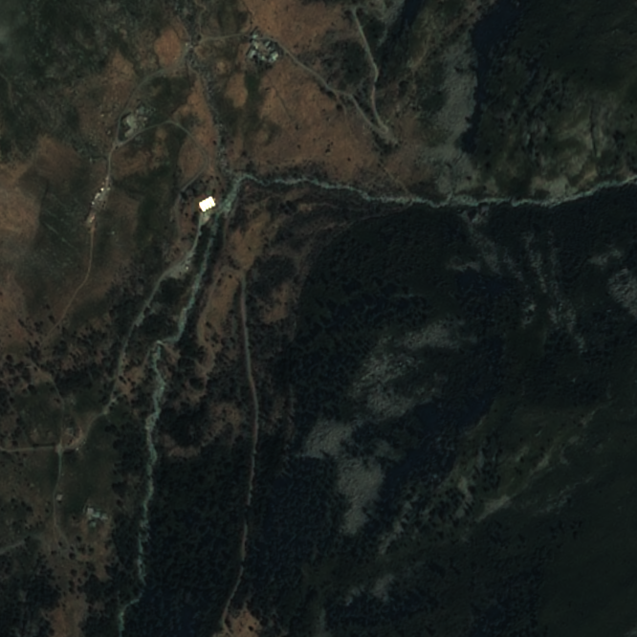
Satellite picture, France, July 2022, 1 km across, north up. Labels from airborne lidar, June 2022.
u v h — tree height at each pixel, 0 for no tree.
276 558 25
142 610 15
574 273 7
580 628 0
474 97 0
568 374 0
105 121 0
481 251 0
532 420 0
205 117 0
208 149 0
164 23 0
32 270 0
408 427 6
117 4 0
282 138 0
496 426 0
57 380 8
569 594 0
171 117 0
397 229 6
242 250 0
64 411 0
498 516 0
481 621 7
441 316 0
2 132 0
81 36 0
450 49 0
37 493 0
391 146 6
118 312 10
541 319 0
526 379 8
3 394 9
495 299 9
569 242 11
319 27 0
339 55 0
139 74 0
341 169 0
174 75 0
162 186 0
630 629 0
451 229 5
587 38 0
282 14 0
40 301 0
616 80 0
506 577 6
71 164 0
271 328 9
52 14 0
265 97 0
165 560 15
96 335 10
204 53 0
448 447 8
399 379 0
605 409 0
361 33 0
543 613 0
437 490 7
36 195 0
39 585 7
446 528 0
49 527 0
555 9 0
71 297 0
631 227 6
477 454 12
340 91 0
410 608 21
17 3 0
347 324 14
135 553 24
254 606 9
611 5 0
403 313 19
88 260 0
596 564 0
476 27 0
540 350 0
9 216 0
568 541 0
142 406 8
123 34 0
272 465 8
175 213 0
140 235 0
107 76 0
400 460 0
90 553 7
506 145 0
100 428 0
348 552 9
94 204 0
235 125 0
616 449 0
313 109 0
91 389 11
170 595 28
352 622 16
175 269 0
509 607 16
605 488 0
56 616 0
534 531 0
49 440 0
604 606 0
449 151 0
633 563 0
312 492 13
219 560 9
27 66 0
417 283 0
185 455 0
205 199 0
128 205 0
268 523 9
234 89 0
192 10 0
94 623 14
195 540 6
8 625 9
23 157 0
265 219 0
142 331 9
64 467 0
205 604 7
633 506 0
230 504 7
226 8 0
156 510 9
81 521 0
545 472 0
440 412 11
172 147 0
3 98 0
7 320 0
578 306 0
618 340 8
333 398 16
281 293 0
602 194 6
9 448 0
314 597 15
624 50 0
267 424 14
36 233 0
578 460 0
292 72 0
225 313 0
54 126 0
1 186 0
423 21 0
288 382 6
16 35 0
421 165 0
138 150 0
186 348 9
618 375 0
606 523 0
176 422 10
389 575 0
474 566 8
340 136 0
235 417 0
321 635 0
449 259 0
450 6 0
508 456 0
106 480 0
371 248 9
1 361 0
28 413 0
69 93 0
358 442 13
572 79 0
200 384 8
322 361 19
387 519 12
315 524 17
